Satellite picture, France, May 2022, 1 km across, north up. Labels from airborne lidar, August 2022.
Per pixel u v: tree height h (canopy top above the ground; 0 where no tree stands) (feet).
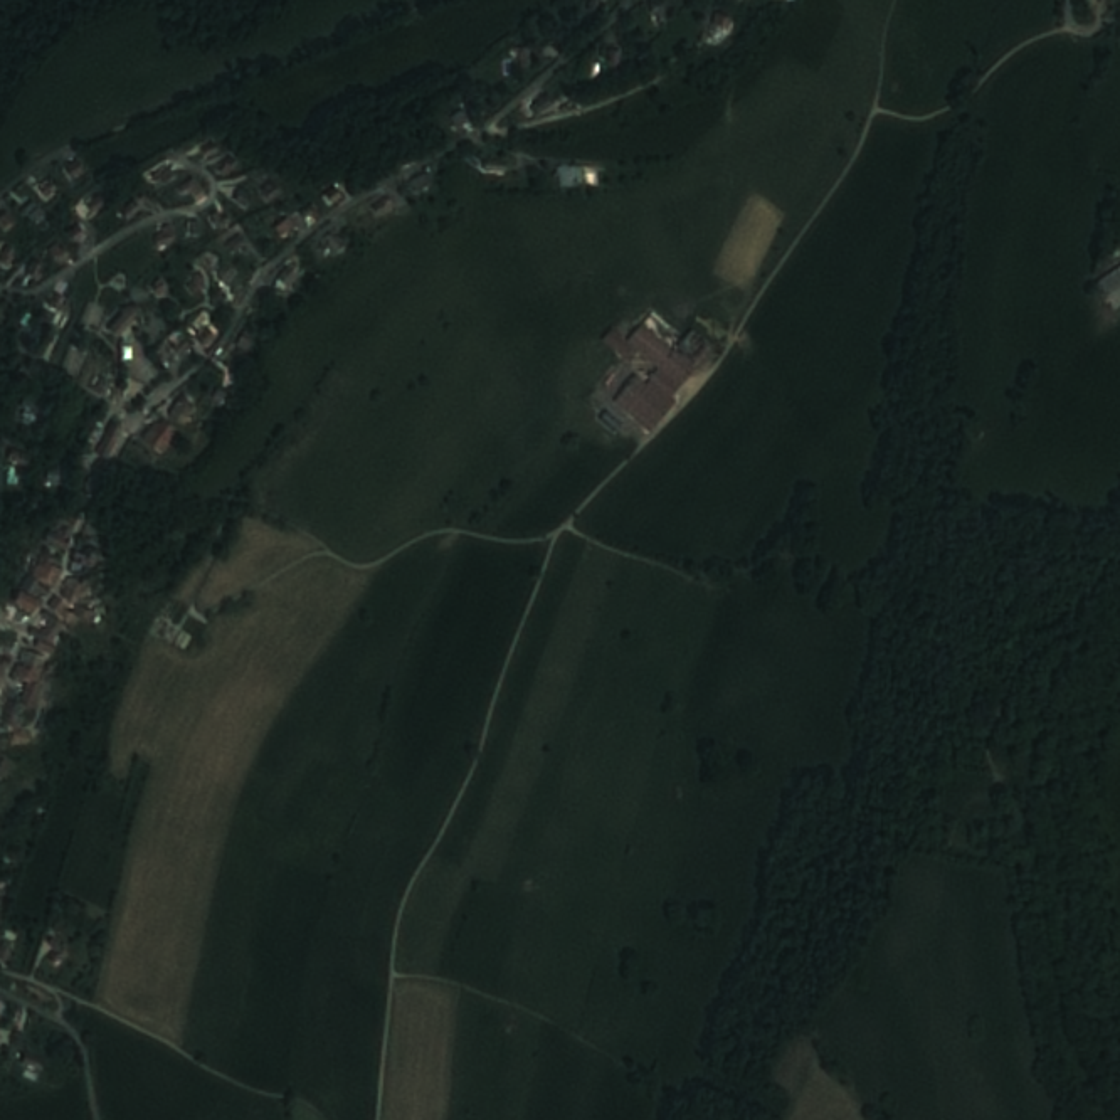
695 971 0
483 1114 0
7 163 0
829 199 0
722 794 0
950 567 54
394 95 55
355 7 0
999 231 0
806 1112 0
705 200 0
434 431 0
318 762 0
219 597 0
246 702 0
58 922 36
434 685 0
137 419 0
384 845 0
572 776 0
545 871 0
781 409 0
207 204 0
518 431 0
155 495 105
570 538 0
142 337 28
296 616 0
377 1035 0
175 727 0
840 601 43
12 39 61
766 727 0
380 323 0
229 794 0
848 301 0
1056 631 47
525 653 0
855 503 0
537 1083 0
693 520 0
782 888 78
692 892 0
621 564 0
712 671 0
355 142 81
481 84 32
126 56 0
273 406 0
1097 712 84
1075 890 82
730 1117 60
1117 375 0
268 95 0
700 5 23
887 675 75
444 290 0
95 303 0
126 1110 0
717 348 0
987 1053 0
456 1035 0
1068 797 93
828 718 0
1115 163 0
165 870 0
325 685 0
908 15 0
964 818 0
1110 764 83
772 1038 64
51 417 72
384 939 0
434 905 0
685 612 0
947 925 0
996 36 0
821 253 0
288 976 0
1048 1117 0
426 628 0
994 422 0
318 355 0
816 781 65
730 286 0
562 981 0
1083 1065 35
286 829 0
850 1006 0
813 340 0
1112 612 51
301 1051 0
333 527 0
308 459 0
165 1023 0
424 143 47
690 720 0
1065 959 77
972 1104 0
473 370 0
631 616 0
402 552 0
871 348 0
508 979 0
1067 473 0
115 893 22
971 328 0
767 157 0
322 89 0
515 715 0
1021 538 54
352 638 0
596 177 0
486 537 0
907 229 0
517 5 0
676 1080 0
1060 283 0
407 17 61
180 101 45
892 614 48
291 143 69
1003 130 0
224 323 33
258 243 29
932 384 54
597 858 0
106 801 0
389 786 0
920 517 61
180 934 0
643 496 0
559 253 0
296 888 0
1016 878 37
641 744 0
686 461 0
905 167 0
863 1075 0
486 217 0
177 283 27
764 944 63
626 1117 0
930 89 0
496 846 0
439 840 0
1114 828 0
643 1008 0
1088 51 0
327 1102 0
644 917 0
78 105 0
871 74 0
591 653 0
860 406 0
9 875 37
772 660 0
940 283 49
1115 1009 93
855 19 0
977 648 44
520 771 0
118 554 74
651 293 0
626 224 0
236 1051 0
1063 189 0
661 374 0
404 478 0
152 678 0
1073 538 66
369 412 0
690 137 0
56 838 0
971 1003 0
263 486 0
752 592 0
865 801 84
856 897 84
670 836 0
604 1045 0
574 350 0
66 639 49
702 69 28
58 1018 0
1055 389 0
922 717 75
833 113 0
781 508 0
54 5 70
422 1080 0
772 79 0
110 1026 0
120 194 71
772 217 0
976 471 0
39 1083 0
